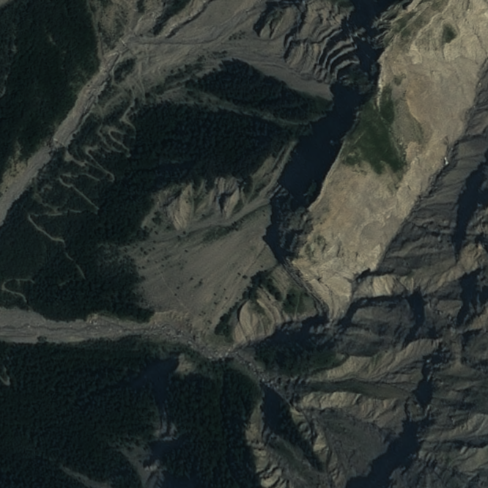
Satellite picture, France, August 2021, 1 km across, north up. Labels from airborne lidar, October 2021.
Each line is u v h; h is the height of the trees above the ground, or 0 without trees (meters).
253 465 15
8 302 7
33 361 19
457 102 0
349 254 0
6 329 0
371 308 0
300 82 0
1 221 0
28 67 13
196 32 0
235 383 11
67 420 14
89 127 8
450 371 0
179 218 0
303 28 0
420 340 0
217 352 0
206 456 16
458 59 0
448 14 0
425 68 0
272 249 0
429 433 0
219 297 0
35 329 0
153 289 0
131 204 11
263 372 0
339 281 0
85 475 9
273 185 0
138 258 0
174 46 0
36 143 12
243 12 0
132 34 0
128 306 10
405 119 0
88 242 18
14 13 6
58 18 10
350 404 0
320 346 0
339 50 0
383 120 0
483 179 0
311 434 0
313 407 0
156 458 0
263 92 21
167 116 17
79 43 14
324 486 0
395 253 0
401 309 0
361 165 0
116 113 7
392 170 0
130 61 6
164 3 0
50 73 17
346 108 0
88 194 7
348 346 0
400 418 0
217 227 0
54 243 9
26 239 12
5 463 18
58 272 13
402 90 0
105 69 0
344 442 0
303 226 0
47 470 17
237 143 24
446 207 0
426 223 0
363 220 0
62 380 17
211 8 0
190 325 0
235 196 0
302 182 0
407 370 0
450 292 0
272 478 0
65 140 0
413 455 0
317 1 0
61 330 0
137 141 12
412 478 0
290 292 0
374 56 0
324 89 0
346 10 0
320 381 0
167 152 15
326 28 0
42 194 7
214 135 26
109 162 11
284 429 23
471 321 0
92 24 8
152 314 12
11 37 6
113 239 15
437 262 0
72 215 8
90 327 0
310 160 0
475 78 0
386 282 0
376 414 0
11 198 0
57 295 11
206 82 18
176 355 0
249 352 0
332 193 0
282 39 0
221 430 17
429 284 0
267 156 20
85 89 0
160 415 0
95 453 15
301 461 0
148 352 6
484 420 0
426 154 0
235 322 0
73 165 12
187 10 0
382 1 0
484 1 0
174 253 0
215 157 17
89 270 14
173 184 7
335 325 0
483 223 0
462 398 0
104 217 16
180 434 6
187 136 30
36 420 16
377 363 0
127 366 9
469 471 0
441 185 0
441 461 0
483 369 0
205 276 0
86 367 13
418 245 0
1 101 14
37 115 12
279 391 0
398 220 0
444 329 0
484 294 0
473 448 0
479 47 0
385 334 0
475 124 0
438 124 0
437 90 0
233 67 18
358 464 0
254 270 0
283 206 0
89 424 20
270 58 0
